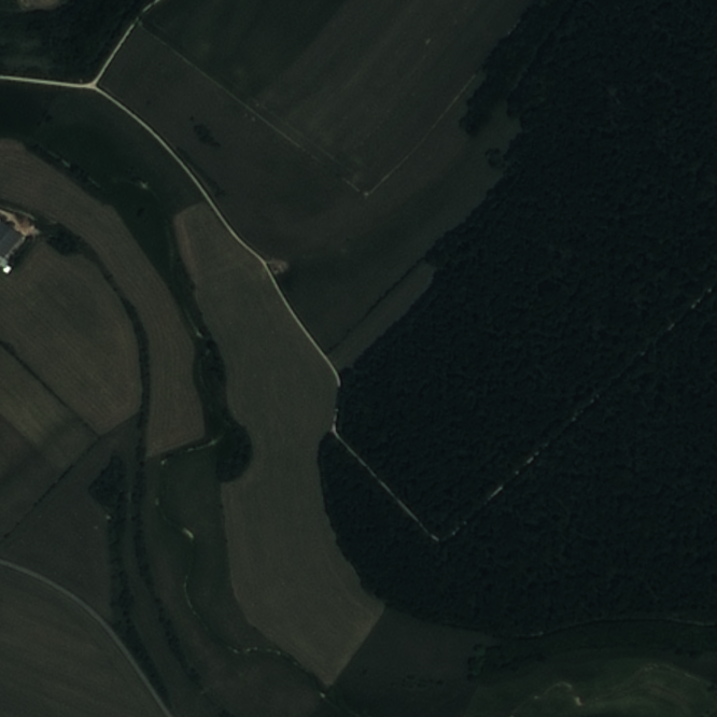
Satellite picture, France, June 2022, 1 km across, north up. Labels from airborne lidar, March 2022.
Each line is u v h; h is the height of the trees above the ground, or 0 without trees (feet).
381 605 0
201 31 0
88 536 0
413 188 0
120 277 0
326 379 0
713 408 0
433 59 0
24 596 0
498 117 0
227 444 0
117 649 0
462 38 0
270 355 0
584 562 52
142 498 18
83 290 0
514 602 59
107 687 0
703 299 0
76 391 0
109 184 0
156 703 0
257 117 0
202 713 0
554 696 0
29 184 0
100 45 35
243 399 0
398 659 0
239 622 0
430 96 0
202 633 0
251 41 0
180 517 0
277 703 0
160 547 0
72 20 43
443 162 0
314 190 0
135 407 0
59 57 23
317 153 0
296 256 0
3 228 0
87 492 0
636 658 0
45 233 0
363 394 0
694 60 68
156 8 0
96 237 0
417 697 0
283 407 0
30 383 0
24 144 0
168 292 0
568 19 68
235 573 0
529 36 66
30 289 0
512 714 0
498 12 0
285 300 0
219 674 0
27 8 0
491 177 0
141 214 29
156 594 0
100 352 0
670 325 0
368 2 0
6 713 0
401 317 0
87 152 0
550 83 61
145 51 0
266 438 0
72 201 0
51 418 0
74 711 0
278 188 0
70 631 0
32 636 0
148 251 0
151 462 0
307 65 0
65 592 0
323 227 0
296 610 0
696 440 0
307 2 0
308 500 0
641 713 0
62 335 0
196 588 0
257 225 0
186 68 0
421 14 0
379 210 0
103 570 0
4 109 0
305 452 0
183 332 0
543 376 65
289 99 0
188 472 0
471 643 0
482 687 0
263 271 0
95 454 0
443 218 0
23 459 0
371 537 0
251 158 0
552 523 65
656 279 0
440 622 32
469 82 0
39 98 0
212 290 0
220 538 0
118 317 0
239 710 0
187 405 0
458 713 0
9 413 0
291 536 0
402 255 0
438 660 0
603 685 0
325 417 0
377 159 0
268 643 0
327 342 0
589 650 21
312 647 0
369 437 62
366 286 0
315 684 0
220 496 0
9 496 0
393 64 0
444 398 61
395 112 0
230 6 0
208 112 0
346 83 0
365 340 0
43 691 0
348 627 0
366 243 0
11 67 0
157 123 0
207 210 0
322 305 0
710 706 0
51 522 0
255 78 0
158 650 0
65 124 0
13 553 0
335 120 0
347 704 0
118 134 0
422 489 0
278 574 0
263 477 0
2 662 0
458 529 0
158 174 0
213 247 0
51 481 0
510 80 62
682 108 59
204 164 0
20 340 0
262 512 0
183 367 0
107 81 0
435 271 0
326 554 0
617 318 68
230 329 0
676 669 0
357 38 0
